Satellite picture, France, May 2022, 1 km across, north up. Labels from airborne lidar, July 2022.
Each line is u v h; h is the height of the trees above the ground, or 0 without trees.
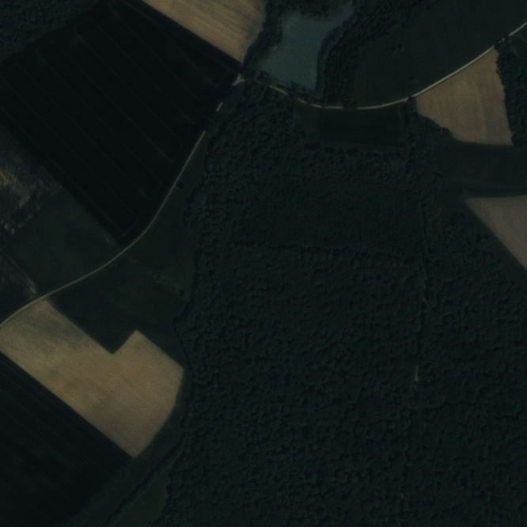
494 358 30
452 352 29
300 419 25
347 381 30
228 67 0
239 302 24
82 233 0
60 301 0
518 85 26
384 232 9
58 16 27
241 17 0
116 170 0
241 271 14
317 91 17
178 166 0
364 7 17
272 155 22
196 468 26
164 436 0
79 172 0
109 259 0
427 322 25
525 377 29
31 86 0
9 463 0
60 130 0
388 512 20
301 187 8
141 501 0
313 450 23
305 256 28
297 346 25
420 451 27
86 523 0
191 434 13
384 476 29
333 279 27
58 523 0
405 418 25
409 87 0
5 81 0
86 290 0
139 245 0
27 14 28
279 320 21
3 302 0
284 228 10
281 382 25
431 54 0
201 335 23
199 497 31
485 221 0
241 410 24
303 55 0
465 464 26
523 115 23
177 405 0
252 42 0
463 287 27
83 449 0
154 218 0
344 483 29
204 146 0
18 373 0
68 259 0
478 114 0
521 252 0
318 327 25
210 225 25
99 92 0
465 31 0
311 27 0
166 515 21
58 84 0
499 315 21
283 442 26
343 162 28
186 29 0
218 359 19
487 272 21
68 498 0
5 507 0
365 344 30
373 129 0
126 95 0
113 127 0
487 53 0
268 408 25
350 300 27
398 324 29
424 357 24
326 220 7
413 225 8
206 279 22
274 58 0
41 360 0
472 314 27
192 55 0
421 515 29
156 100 0
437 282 26
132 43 0
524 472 26
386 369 28
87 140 0
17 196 0
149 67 0
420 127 21
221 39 0
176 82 0
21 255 0
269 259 20
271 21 21
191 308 24
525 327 30
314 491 30
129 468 0
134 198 0
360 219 8
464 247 24
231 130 20
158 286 0
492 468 16
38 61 0
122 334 0
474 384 25
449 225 18
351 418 25
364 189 8
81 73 0
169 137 0
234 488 29
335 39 22
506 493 27
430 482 27
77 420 0
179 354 0
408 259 6
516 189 0
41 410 0
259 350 26
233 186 25
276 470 11
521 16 0
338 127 0
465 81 0
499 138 0
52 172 0
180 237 0
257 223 9
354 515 29
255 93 21
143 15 0
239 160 23
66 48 0
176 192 0
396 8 10
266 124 17
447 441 27
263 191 14
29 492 0
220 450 31
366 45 15
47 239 0
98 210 0
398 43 0
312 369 31
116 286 0
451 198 0
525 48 0
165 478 0
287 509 25
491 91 0
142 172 0
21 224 0
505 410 33
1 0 25
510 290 21
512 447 29
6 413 0
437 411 25
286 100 5
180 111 0
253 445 24
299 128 22
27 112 0
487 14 0
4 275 0
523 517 29
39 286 0
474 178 0
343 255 19
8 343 0
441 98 0
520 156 0
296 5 19
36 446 0
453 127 0
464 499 30
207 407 19
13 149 0
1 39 25
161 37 0
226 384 23
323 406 24
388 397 25
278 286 27
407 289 22
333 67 14
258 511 23
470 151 0
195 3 0
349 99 16
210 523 27
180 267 0
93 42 0
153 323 0
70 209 0
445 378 29
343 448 30
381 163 26
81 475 0
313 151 24
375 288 27
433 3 23
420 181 21
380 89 0
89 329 0
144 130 0
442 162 0
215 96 0
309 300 28
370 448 31
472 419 29
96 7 0
